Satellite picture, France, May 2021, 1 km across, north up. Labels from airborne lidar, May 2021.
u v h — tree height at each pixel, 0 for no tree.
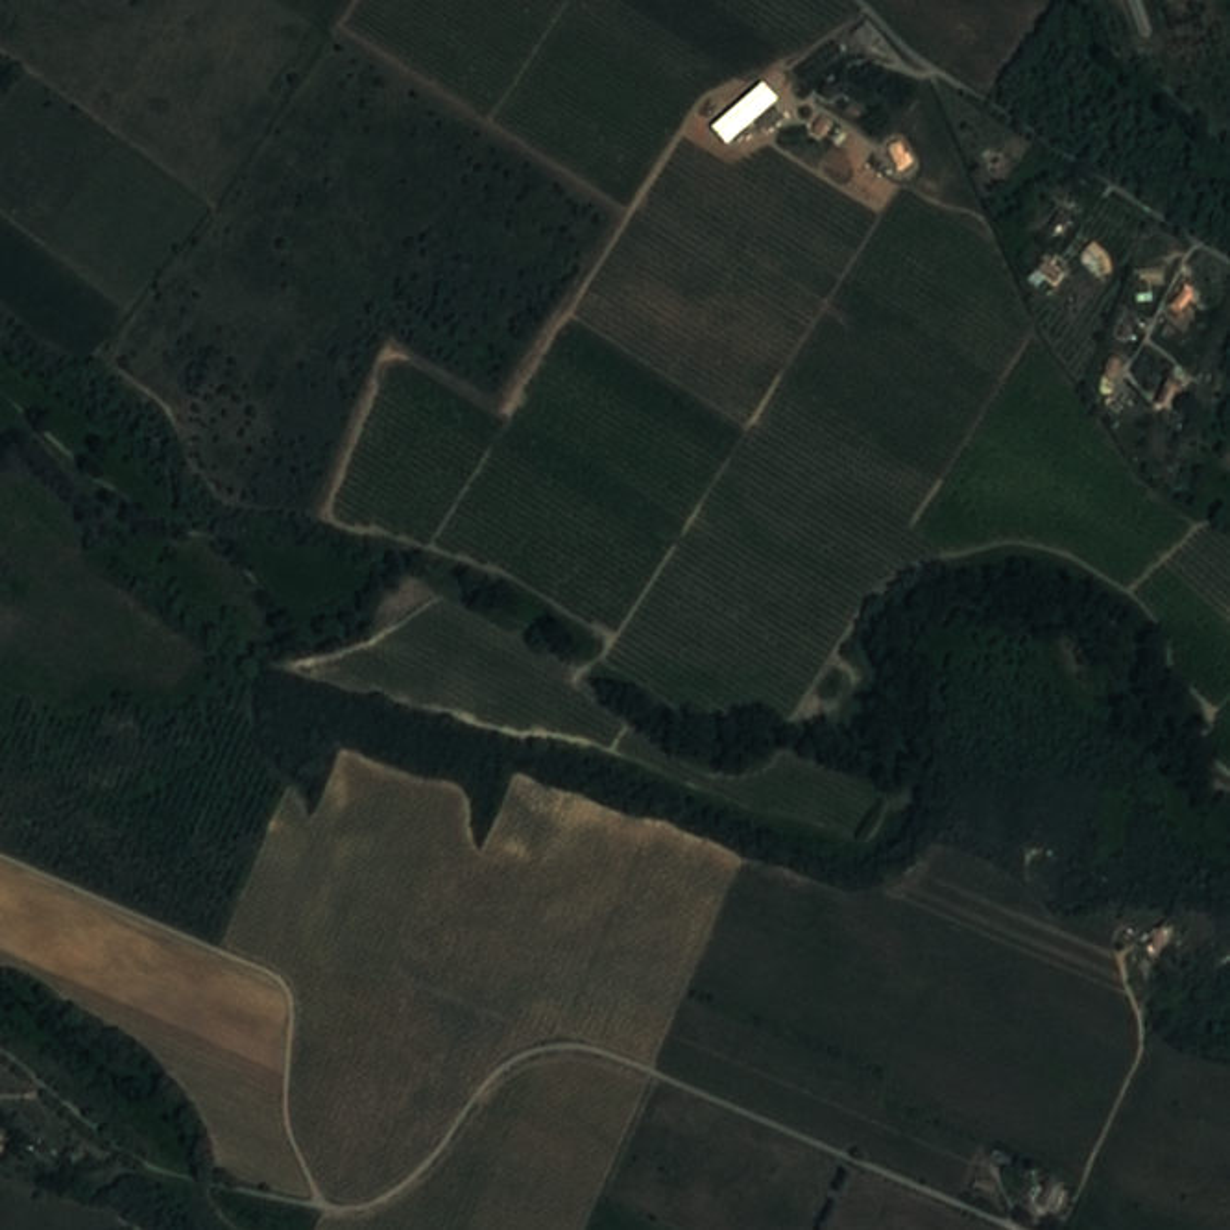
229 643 15
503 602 28
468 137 0
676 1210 0
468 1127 0
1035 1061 0
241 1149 0
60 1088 7
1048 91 12
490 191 8
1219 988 7
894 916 0
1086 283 0
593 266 0
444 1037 0
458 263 11
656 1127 0
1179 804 0
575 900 0
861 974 0
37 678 0
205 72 0
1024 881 0
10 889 0
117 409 10
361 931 0
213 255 0
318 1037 0
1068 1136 0
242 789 7
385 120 0
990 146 0
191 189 0
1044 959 0
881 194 0
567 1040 0
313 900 0
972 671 7
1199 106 8
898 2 0
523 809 0
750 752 21
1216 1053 9
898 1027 0
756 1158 0
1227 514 14
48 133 0
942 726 11
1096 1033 0
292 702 8
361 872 0
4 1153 5
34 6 0
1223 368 9
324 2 0
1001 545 0
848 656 10
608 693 26
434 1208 0
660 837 0
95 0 0
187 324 0
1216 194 7
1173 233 9
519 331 10
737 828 11
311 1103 0
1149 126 12
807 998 0
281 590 0
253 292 0
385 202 0
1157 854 10
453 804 0
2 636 0
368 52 0
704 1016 0
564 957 0
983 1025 0
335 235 0
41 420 22
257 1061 0
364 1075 0
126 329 0
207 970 0
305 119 0
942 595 27
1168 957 11
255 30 0
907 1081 0
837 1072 0
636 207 0
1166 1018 10
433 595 0
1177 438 10
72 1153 7
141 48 0
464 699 0
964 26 0
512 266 0
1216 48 8
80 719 6
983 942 0
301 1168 0
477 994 0
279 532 9
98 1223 0
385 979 0
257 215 0
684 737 32
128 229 0
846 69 8
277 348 0
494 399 0
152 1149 0
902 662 34
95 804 6
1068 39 17
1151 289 0
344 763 0
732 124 0
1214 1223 0
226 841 8
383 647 0
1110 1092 0
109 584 0
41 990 12
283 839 0
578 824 0
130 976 0
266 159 0
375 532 0
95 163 0
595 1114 0
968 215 0
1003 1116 0
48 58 0
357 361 9
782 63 0
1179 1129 0
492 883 0
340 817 0
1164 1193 0
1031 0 0
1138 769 10
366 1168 0
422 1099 0
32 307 0
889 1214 0
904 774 25
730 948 0
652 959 0
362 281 0
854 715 0
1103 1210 0
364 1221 0
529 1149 0
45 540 0
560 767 11
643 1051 0
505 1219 0
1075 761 8
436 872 0
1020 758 6
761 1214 0
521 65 0
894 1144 0
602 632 0
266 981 0
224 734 7
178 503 10
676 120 0
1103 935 0
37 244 0
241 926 0
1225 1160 0
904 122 0
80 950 0
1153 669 26
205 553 0
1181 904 10
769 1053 0
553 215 0
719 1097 0
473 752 7
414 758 8
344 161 0
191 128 0
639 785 10
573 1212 0
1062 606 24
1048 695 8
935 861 0
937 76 0
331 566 0
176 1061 0
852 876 8
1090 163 15
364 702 10
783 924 0
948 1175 0
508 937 0
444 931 0
